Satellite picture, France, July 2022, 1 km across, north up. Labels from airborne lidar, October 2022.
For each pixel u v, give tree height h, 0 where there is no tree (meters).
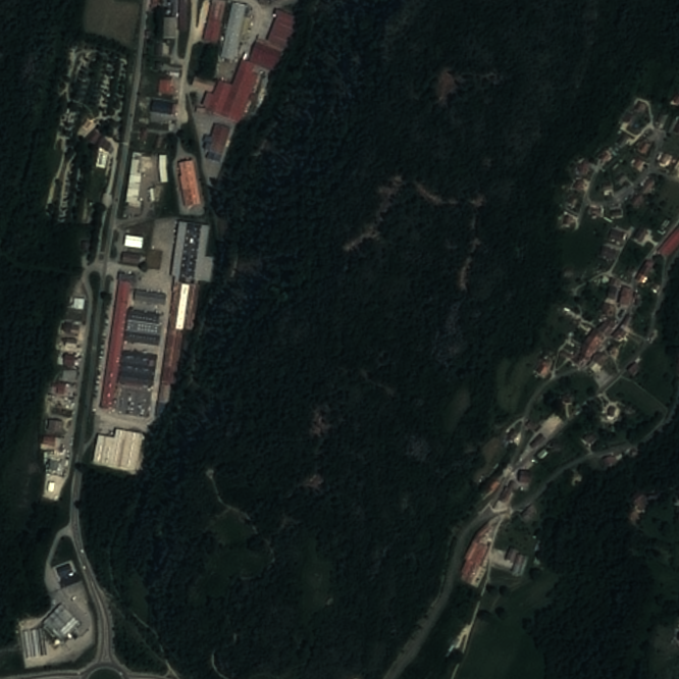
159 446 7
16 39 12
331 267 6
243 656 9
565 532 26
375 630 12
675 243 0
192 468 8
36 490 0
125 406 0
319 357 7
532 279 15
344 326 10
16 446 6
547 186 17
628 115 0
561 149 14
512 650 0
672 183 0
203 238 0
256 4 0
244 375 13
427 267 13
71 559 0
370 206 12
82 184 12
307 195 18
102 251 0
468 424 9
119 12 0
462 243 9
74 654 0
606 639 19
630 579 20
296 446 13
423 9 8
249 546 9
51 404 0
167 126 0
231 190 27
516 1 9
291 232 15
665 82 0
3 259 12
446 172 12
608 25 12
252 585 12
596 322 0
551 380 0
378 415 14
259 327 13
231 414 21
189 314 0
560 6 7
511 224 13
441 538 14
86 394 0
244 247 15
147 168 0
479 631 0
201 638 11
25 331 18
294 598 10
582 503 11
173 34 0
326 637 7
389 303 10
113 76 9
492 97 7
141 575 12
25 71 28
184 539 26
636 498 0
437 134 7
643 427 15
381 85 14
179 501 15
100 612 0
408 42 9
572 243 0
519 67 9
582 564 13
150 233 0
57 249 14
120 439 0
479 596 12
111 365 0
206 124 0
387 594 8
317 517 15
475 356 16
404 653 7
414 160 9
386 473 8
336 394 8
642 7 13
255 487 23
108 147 0
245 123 10
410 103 12
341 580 9
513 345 17
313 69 8
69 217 9
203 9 0
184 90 0
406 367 18
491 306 18
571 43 9
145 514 22
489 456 0
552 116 10
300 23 16
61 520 0
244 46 0
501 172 8
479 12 11
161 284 0
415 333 22
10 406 27
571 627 22
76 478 0
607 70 11
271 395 15
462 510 11
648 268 0
